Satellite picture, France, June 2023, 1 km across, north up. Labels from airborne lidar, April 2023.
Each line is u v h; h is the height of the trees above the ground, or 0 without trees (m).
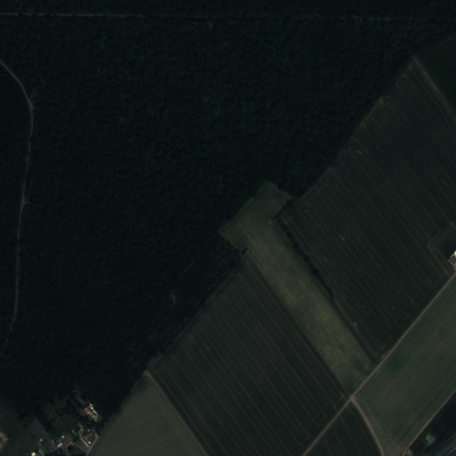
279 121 19
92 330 20
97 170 24
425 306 0
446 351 0
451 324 0
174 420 0
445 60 0
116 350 14
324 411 0
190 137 21
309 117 22
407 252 0
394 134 0
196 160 13
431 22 12
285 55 20
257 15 14
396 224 0
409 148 0
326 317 0
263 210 0
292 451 0
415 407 0
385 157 0
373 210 0
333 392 0
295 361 0
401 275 0
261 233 0
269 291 0
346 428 0
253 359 0
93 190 23
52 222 20
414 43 9
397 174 0
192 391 0
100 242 22
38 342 21
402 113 0
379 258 0
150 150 25
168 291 17
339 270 0
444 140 0
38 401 19
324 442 0
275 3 19
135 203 21
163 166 23
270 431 0
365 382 0
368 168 0
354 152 0
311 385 0
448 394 0
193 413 0
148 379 0
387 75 15
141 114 21
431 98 0
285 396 0
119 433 0
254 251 0
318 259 0
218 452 0
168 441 0
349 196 0
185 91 25
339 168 0
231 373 0
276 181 17
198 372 0
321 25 19
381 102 0
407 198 0
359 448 0
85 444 0
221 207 18
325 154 15
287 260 0
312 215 0
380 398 0
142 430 0
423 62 0
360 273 0
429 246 0
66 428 0
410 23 16
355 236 0
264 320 0
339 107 17
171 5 19
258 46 21
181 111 19
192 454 0
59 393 12
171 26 22
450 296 0
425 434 0
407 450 0
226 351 0
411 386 0
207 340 0
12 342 20
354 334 0
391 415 0
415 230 0
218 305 0
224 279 6
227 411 0
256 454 0
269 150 20
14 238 18
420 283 0
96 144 23
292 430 0
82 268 23
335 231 0
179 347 0
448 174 0
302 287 0
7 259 21
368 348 0
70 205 24
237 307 0
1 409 0
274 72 22
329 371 0
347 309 0
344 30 19
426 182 0
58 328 19
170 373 0
